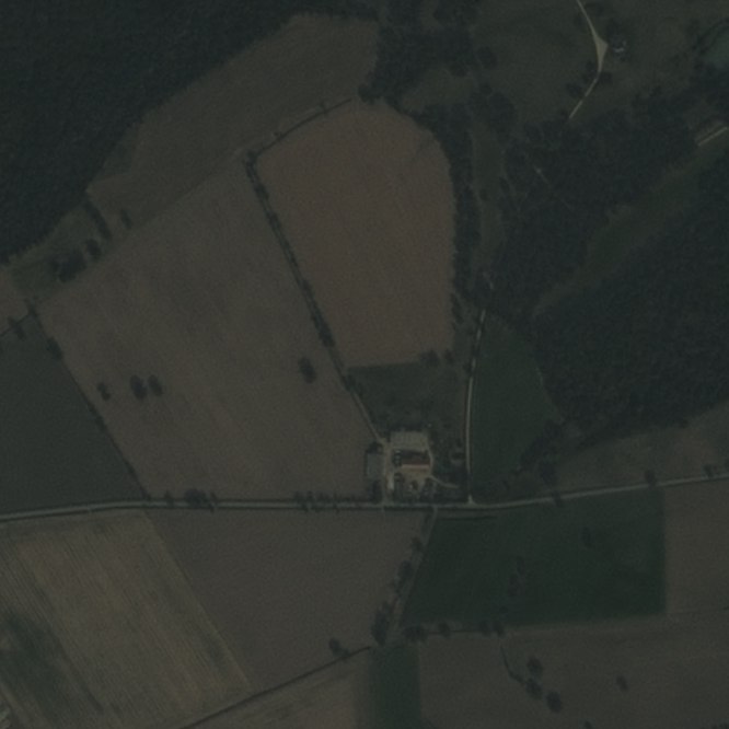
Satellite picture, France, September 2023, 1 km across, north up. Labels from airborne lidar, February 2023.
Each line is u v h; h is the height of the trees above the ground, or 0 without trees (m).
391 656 0
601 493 0
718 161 7
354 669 0
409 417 0
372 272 0
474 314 0
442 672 0
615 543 0
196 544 0
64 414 0
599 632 0
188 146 0
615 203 16
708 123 0
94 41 22
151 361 0
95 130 8
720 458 0
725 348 17
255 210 0
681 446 0
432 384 0
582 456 0
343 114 0
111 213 0
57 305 0
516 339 0
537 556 0
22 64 19
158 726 0
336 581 0
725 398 9
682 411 15
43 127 19
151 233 0
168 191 0
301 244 0
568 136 21
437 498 7
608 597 0
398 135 0
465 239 10
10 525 0
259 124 0
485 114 21
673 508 0
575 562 0
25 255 0
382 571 0
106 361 0
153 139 0
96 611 0
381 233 0
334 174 0
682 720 0
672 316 13
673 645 0
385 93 11
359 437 0
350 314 0
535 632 0
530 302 15
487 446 0
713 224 11
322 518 0
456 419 0
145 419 0
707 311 27
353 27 0
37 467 0
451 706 0
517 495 0
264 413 0
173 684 0
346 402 0
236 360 0
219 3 13
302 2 13
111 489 0
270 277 0
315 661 0
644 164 22
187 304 0
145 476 0
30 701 0
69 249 0
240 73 0
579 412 16
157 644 0
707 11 0
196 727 0
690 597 0
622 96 0
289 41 0
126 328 0
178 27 14
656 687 0
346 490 0
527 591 0
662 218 0
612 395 14
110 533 0
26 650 0
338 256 0
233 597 0
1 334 0
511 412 0
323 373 0
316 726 0
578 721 0
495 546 0
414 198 0
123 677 0
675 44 0
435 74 0
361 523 0
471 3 11
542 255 18
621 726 0
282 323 0
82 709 0
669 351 25
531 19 0
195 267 0
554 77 0
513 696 0
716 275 24
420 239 0
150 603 0
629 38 0
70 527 0
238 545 0
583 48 0
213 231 0
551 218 20
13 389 0
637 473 0
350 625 0
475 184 0
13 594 0
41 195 11
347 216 0
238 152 0
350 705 0
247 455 0
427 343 0
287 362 0
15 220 13
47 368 0
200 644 0
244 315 0
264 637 0
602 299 20
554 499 12
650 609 0
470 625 0
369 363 0
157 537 0
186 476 0
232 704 0
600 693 0
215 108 0
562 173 21
